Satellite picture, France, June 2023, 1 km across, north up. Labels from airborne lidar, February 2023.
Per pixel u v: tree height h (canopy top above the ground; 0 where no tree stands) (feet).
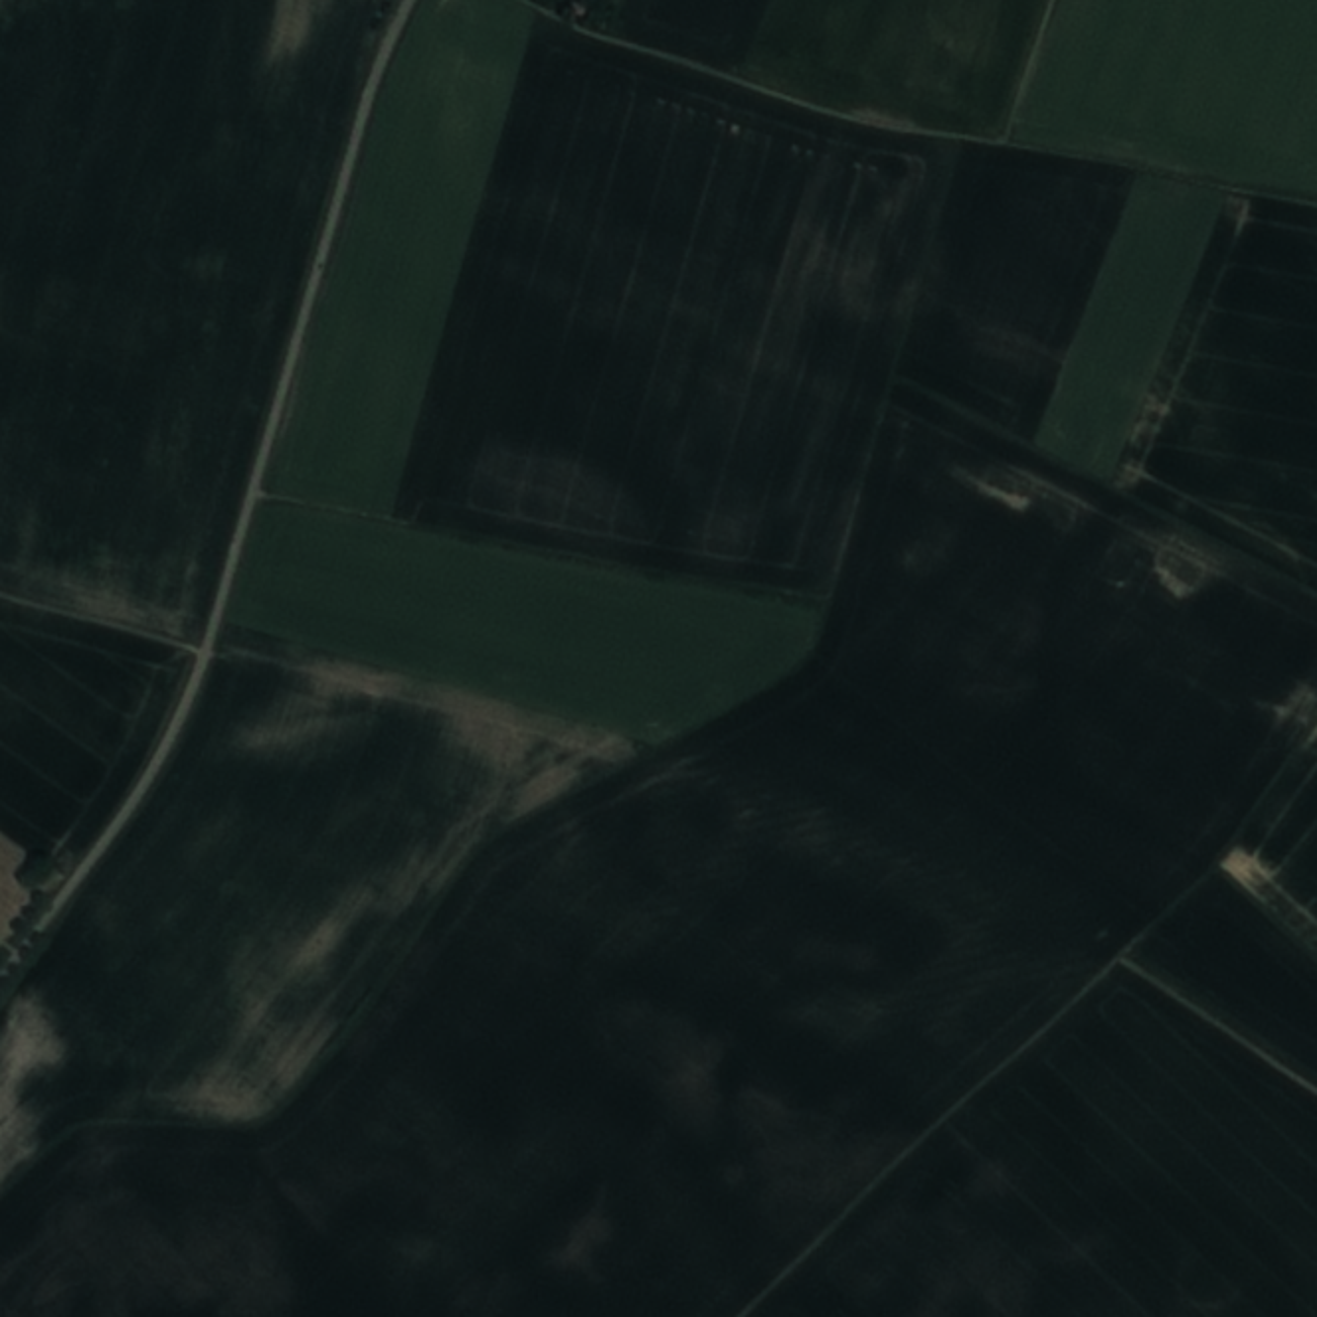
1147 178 0
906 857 0
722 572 0
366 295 0
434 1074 0
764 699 0
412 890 0
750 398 0
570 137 0
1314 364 0
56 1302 0
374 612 0
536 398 0
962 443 0
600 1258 0
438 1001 0
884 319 0
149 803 0
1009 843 0
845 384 0
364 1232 0
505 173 0
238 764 0
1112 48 0
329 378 0
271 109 0
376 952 0
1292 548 0
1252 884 0
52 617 0
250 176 0
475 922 0
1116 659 0
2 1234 0
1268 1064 0
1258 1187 0
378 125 0
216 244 0
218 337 0
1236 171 0
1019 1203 0
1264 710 0
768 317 0
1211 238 0
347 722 0
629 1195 0
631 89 0
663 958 0
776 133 0
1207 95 0
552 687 0
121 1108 0
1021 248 0
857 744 0
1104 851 0
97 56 0
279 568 0
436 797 0
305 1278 0
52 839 0
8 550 0
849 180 0
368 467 0
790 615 0
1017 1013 0
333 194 0
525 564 0
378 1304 0
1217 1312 0
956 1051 0
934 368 0
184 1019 0
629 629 0
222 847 0
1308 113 0
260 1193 0
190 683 0
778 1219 0
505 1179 0
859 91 0
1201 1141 0
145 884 0
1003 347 0
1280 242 0
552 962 0
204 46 0
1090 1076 0
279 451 0
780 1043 0
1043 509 0
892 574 0
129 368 0
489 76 0
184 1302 0
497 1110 0
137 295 0
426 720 0
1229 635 0
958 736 0
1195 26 0
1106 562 0
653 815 0
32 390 0
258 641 0
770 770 0
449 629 0
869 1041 0
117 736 0
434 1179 0
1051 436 0
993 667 0
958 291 0
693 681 0
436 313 0
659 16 0
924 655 0
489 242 0
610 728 0
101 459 0
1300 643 0
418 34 0
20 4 0
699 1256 0
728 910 0
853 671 0
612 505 0
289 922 0
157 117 0
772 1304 0
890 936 0
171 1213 0
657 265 0
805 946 0
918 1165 0
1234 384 0
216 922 0
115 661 0
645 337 0
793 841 0
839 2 0
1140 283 0
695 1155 0
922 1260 0
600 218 0
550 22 0
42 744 0
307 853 0
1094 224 0
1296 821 0
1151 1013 0
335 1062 0
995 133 0
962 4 0
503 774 0
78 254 0
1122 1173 0
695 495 0
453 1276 0
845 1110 0
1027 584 0
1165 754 0
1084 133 0
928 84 0
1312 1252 0
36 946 45
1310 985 0
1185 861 0
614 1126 0
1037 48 0
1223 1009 0
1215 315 0
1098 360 0
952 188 0
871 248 0
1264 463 0
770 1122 0
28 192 0
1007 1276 0
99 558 0
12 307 0
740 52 0
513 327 0
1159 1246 0
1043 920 0
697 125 0
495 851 0
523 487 0
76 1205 0
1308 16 0
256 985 0
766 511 0
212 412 0
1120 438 0
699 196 0
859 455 0
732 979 0
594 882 0
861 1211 0
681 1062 0
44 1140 0
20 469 0
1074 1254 0
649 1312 0
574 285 0
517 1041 0
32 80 0
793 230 0
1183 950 0
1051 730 0
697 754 0
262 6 0
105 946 0
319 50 0
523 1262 0
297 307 0
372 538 0
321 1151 0
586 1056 0
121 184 0
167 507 0
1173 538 0
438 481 0
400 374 0
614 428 0
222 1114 0
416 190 0
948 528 0
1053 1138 0
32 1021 0
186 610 0
